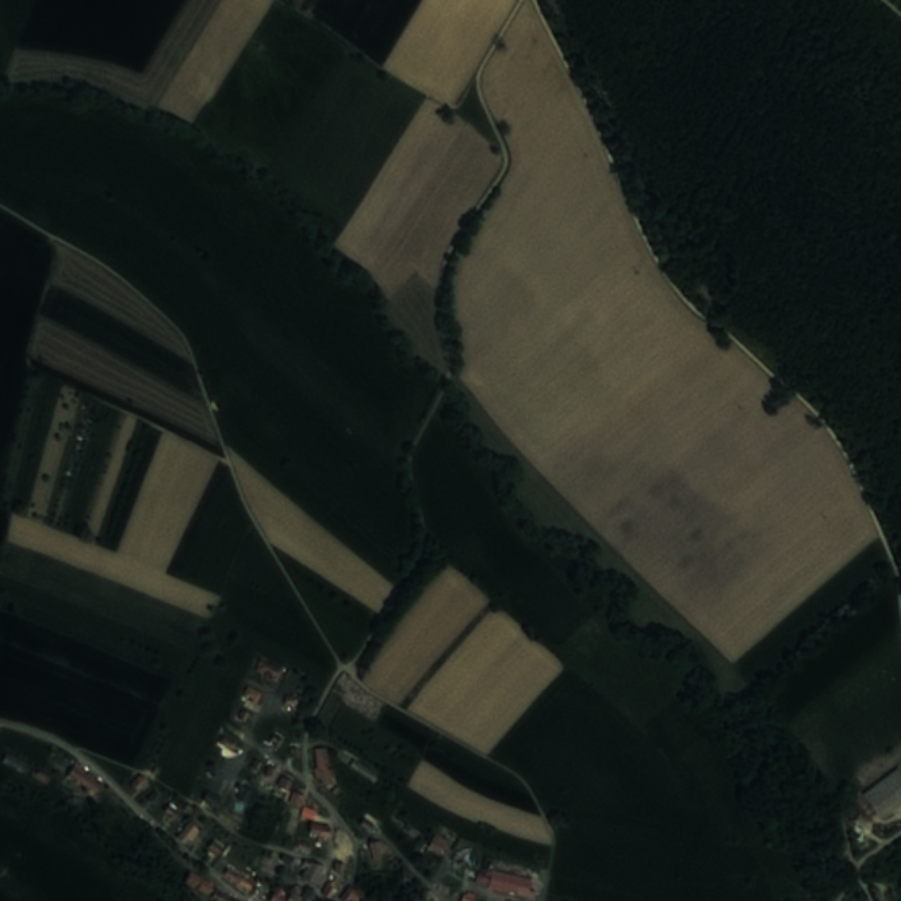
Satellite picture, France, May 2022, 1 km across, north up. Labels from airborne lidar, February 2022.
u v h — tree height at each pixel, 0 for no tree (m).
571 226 0
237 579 0
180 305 0
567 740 0
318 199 0
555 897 0
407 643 0
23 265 0
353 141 0
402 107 0
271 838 0
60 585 0
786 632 0
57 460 0
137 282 0
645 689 0
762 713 18
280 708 0
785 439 0
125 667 0
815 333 10
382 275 0
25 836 0
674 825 0
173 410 0
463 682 0
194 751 0
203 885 0
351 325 0
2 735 0
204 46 0
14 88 11
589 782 0
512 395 0
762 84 16
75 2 0
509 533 0
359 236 0
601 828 0
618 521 0
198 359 0
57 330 0
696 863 0
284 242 0
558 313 0
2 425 0
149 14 0
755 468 0
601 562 0
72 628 0
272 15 0
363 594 0
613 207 0
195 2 0
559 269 0
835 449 0
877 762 0
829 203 12
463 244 15
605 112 23
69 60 0
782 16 11
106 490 0
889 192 13
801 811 22
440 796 0
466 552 0
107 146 0
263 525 0
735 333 0
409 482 14
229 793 0
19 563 0
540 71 0
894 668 0
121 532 0
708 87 13
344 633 0
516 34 0
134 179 0
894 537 10
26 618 0
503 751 0
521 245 0
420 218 0
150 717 0
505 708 0
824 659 0
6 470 0
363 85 0
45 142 0
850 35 11
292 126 0
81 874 0
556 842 0
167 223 0
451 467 0
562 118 0
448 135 0
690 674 21
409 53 0
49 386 0
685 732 0
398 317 0
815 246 11
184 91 0
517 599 0
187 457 0
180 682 0
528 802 0
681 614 0
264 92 0
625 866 0
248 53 0
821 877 27
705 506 0
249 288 0
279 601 0
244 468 0
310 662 0
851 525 0
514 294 0
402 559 9
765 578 0
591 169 0
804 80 10
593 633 0
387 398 0
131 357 0
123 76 0
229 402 0
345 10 0
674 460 0
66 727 0
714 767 0
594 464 0
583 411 0
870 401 10
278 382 0
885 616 0
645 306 0
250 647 0
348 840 0
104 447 0
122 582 0
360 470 0
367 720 0
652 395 0
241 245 0
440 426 0
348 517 0
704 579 0
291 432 0
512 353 0
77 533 15
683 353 0
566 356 0
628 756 0
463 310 0
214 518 0
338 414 0
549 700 0
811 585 0
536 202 0
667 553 0
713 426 0
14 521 0
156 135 0
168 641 0
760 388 0
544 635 0
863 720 0
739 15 14
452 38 0
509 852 0
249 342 0
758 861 0
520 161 0
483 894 0
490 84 0
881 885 0
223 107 0
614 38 11
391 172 0
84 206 0
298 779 0
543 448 0
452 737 0
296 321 0
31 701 0
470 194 0
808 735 0
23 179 0
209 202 0
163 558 0
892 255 17
